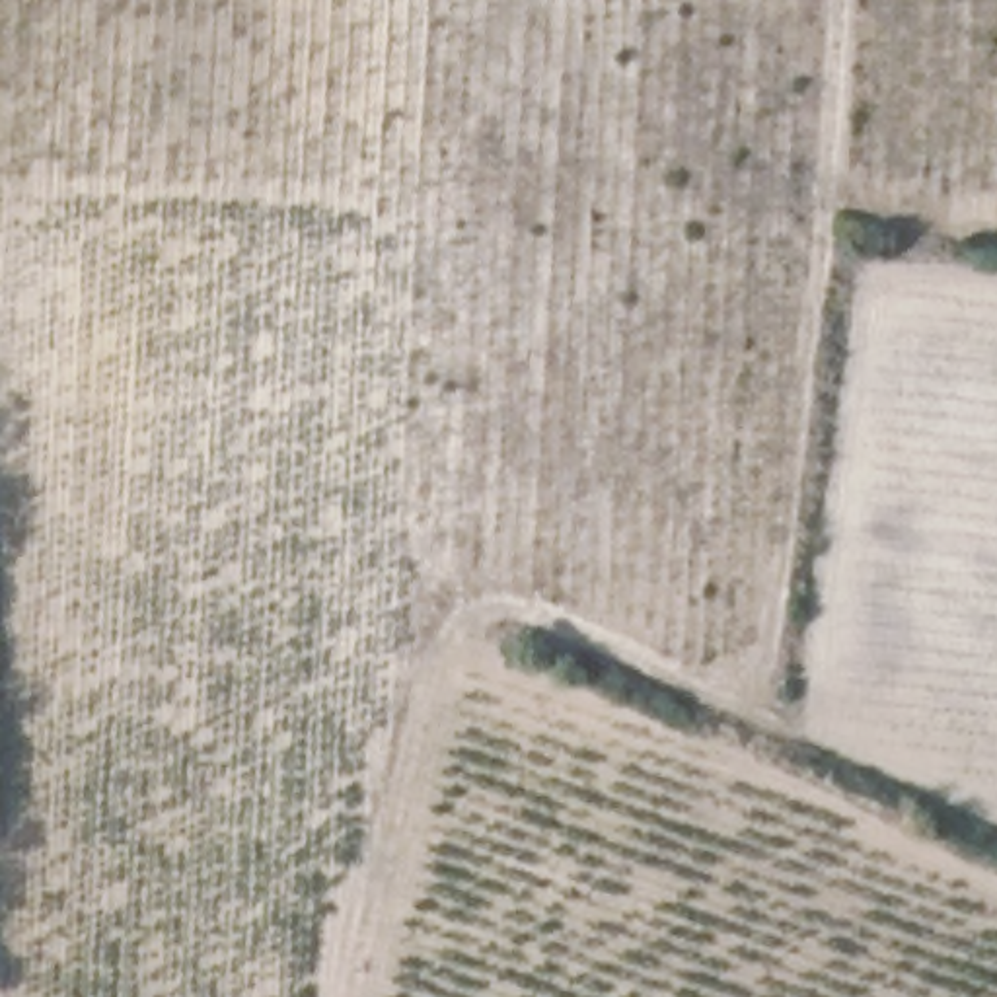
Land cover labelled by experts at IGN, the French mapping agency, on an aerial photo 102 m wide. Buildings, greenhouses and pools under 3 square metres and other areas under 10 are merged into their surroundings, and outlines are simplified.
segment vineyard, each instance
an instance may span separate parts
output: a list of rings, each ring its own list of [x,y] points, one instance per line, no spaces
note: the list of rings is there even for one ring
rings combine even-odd
[[[997,822],[997,273],[981,273],[962,261],[919,261],[911,253],[900,261],[868,261],[857,280],[849,312],[849,362],[837,405],[837,460],[826,495],[830,553],[818,557],[814,569],[818,619],[806,627],[802,701],[806,740],[833,748],[845,759],[880,767],[892,779],[931,787],[950,802],[966,802],[989,822]]]
[[[779,541],[794,553],[802,545],[802,479],[783,463],[794,444],[794,428],[787,425],[787,397],[798,389],[794,339],[802,312],[802,280],[810,273],[814,249],[814,218],[833,218],[837,210],[872,210],[911,214],[927,222],[958,238],[997,230],[997,0],[857,0],[849,164],[837,175],[814,164],[826,66],[826,0],[0,0],[0,662],[12,662],[19,674],[47,685],[47,705],[35,717],[23,717],[23,736],[31,740],[27,810],[43,822],[47,841],[23,853],[23,907],[12,907],[0,919],[0,997],[319,997],[319,942],[327,915],[335,911],[327,888],[347,884],[351,865],[362,857],[366,744],[378,728],[386,728],[386,701],[397,697],[397,646],[409,658],[428,654],[456,600],[475,600],[483,592],[518,592],[580,608],[592,619],[604,619],[627,631],[631,639],[654,646],[666,658],[682,658],[685,666],[713,666],[717,658],[744,654],[756,643],[756,569],[771,561]]]
[[[534,732],[534,748],[522,748],[506,736],[463,728],[456,732],[452,763],[444,767],[444,791],[432,806],[432,830],[444,837],[440,845],[432,845],[436,876],[405,919],[409,931],[444,939],[444,950],[436,950],[432,958],[401,958],[393,997],[997,997],[997,904],[970,900],[970,880],[950,880],[950,892],[942,892],[919,880],[880,872],[892,861],[900,837],[919,826],[911,810],[884,806],[884,814],[900,830],[884,849],[872,849],[857,837],[845,837],[845,826],[853,822],[826,806],[744,779],[732,783],[728,775],[682,763],[662,752],[631,752],[619,779],[608,791],[596,791],[596,763],[604,763],[596,748],[580,748],[541,732]]]

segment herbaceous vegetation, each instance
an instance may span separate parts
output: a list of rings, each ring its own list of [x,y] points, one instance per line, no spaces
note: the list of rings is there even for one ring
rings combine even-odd
[[[958,238],[927,222],[911,253],[919,261],[962,261],[981,273],[997,273],[997,230]]]
[[[23,736],[23,717],[35,717],[47,705],[47,685],[19,674],[12,662],[0,662],[0,919],[12,907],[23,907],[23,853],[47,841],[43,822],[27,810],[31,740]]]

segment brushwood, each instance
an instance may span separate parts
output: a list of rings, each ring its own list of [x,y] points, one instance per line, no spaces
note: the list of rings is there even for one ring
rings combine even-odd
[[[833,265],[822,304],[814,425],[802,479],[802,545],[794,553],[791,608],[783,627],[783,697],[802,701],[806,627],[818,619],[814,569],[818,557],[830,553],[826,495],[837,460],[837,405],[849,362],[849,312],[857,280]]]

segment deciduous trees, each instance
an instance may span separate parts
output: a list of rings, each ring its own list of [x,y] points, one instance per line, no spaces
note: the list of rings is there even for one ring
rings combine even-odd
[[[872,210],[837,210],[833,218],[833,265],[857,280],[868,261],[900,261],[911,253],[927,222],[911,214]]]
[[[713,709],[697,693],[635,670],[631,662],[596,646],[569,623],[526,623],[514,639],[499,646],[506,666],[545,670],[565,685],[588,685],[682,732],[732,736],[748,752],[767,756],[771,763],[783,763],[791,771],[814,771],[845,794],[876,798],[884,806],[911,810],[919,826],[923,837],[946,841],[954,853],[997,868],[997,822],[989,822],[966,802],[950,802],[931,787],[892,779],[880,767],[845,759],[833,748],[806,740],[752,724],[740,713]]]

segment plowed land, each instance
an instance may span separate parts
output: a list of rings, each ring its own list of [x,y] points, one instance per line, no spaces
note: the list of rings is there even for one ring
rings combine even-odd
[[[814,249],[810,273],[802,280],[802,312],[794,339],[798,389],[787,397],[787,425],[794,428],[794,444],[783,463],[802,479],[814,425],[822,304],[833,265],[833,218],[814,218]]]
[[[997,904],[997,868],[954,853],[946,841],[923,837],[919,826],[900,837],[892,861],[880,872],[919,880],[942,892],[950,892],[950,880],[970,880],[970,900]]]
[[[826,66],[814,164],[837,175],[849,164],[857,0],[826,0]]]
[[[475,600],[456,600],[428,654],[409,658],[397,646],[397,697],[386,701],[386,728],[378,728],[366,744],[362,857],[351,865],[347,884],[327,888],[335,911],[327,915],[319,942],[319,997],[393,997],[401,958],[432,958],[436,950],[444,950],[444,939],[409,931],[405,919],[436,876],[432,845],[440,845],[444,837],[432,830],[432,806],[444,791],[444,767],[452,763],[456,732],[463,728],[506,736],[522,748],[534,748],[534,732],[541,732],[580,748],[596,748],[604,763],[596,763],[596,791],[608,791],[619,779],[631,752],[662,752],[682,763],[728,775],[732,783],[744,779],[826,806],[853,822],[845,826],[845,837],[857,837],[872,849],[884,849],[900,830],[884,814],[884,806],[876,798],[845,794],[814,771],[791,771],[783,763],[771,763],[767,756],[748,752],[732,736],[682,732],[588,685],[565,685],[545,670],[506,666],[499,646],[514,639],[526,623],[569,623],[596,646],[631,662],[635,670],[697,693],[713,709],[740,713],[752,724],[806,740],[802,701],[783,697],[783,627],[791,608],[794,553],[779,541],[771,561],[756,569],[756,643],[744,654],[717,658],[713,666],[685,666],[682,658],[666,658],[654,646],[631,639],[627,631],[604,619],[592,619],[580,608],[518,592],[483,592]]]

